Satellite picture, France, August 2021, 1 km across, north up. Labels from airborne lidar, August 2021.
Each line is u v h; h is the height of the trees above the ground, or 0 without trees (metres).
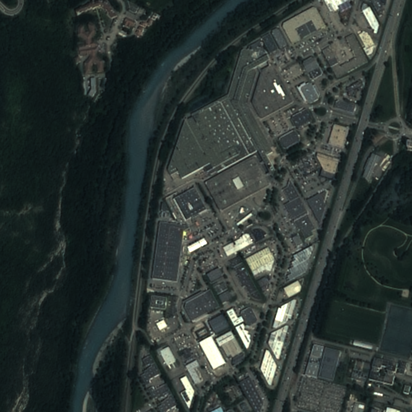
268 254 0
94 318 0
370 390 15
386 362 0
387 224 0
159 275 0
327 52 0
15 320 14
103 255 22
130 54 17
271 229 0
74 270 18
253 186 0
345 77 0
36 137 17
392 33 0
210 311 9
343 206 0
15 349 11
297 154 18
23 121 10
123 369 17
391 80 0
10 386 6
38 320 10
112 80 20
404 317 0
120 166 15
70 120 8
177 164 0
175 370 0
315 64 0
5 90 6
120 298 0
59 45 7
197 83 0
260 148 0
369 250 0
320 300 14
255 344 8
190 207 0
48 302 16
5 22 11
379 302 0
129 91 13
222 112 0
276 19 14
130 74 20
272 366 0
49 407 20
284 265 11
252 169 0
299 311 0
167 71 0
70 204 25
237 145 0
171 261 0
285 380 0
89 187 23
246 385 0
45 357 11
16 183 9
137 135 0
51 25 6
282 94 0
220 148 0
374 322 0
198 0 17
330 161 0
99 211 19
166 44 23
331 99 14
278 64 0
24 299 8
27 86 16
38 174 7
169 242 0
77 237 22
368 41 0
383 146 0
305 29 0
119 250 0
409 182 18
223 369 0
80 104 11
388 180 15
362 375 0
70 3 15
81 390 0
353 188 0
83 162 20
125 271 0
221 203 0
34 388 10
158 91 0
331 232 0
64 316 14
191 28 16
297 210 0
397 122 0
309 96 0
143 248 0
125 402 0
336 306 0
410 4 0
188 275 0
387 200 10
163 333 0
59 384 16
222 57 22
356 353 0
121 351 8
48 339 14
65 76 19
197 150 0
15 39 18
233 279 0
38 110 13
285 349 0
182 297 0
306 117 0
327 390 0
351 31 0
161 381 0
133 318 0
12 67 13
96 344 0
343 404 6
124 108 17
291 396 0
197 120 0
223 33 10
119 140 22
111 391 23
